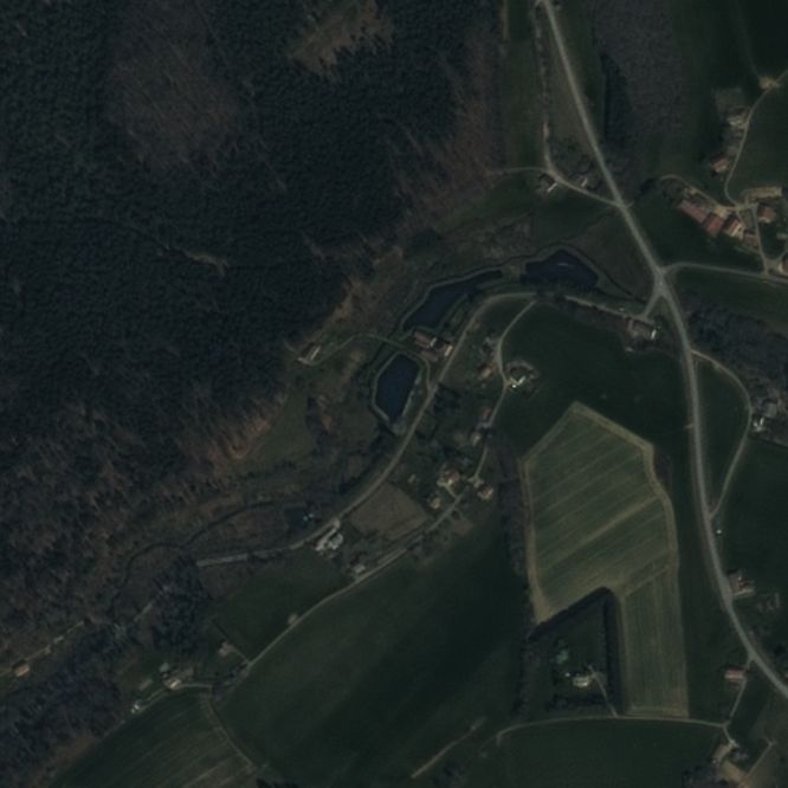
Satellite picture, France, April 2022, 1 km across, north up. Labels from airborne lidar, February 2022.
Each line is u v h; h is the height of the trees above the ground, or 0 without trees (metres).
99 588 9
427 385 0
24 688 13
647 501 0
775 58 0
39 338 30
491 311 0
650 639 0
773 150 0
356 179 21
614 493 0
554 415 0
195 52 28
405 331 0
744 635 0
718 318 11
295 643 0
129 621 0
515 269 0
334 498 21
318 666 0
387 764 0
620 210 0
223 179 28
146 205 24
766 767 0
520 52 0
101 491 21
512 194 0
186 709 0
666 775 0
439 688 0
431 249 16
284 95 29
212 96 29
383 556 0
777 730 0
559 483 0
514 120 0
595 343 0
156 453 17
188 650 30
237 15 30
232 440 23
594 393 0
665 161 0
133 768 0
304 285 28
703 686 0
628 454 0
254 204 29
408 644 0
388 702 0
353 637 0
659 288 0
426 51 24
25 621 17
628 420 0
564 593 0
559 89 0
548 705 0
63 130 28
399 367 0
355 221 23
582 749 0
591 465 0
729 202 0
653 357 0
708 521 0
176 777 0
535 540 0
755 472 0
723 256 0
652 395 0
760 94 0
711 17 0
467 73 28
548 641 24
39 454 25
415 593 0
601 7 16
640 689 0
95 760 0
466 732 0
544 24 17
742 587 0
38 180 33
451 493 0
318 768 0
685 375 0
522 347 0
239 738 0
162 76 28
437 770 0
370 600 0
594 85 0
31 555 23
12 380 21
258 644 0
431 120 27
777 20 0
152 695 0
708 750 0
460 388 0
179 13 27
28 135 26
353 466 11
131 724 0
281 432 0
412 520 0
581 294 17
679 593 0
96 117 27
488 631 0
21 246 30
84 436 19
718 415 0
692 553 0
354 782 0
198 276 27
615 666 24
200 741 0
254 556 0
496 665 0
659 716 0
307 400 0
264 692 0
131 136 25
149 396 23
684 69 8
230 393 26
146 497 26
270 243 28
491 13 17
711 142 0
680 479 0
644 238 0
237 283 30
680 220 0
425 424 0
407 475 0
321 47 0
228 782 0
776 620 0
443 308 0
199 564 0
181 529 0
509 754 0
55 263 26
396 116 21
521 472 11
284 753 0
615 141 24
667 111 7
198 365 30
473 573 0
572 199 0
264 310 31
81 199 28
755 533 0
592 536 0
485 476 0
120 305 31
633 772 0
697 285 0
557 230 0
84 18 23
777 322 0
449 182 25
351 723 0
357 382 13
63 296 28
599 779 0
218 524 6
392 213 25
